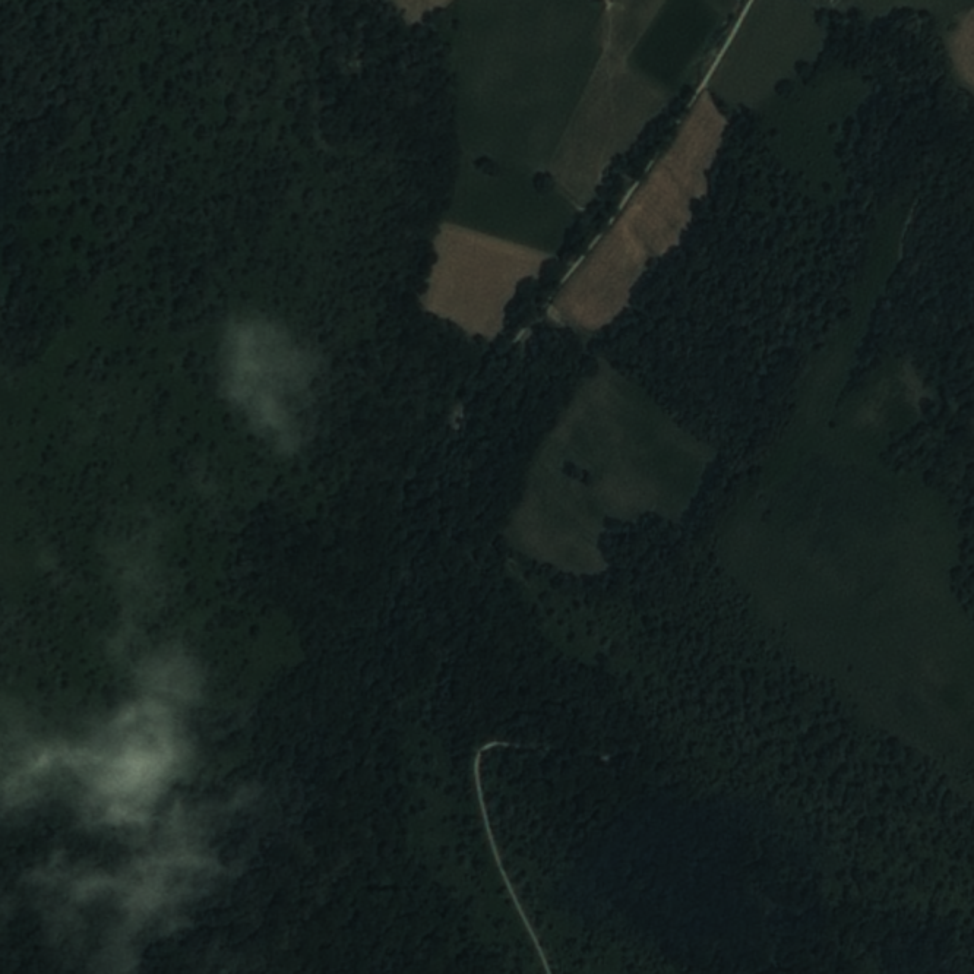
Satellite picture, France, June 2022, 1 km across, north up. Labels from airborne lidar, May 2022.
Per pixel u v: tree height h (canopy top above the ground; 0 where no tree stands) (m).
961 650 0
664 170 0
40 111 9
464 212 0
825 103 0
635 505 0
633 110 0
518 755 25
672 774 16
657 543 13
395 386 20
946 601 0
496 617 25
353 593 18
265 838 24
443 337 28
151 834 18
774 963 8
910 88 21
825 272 11
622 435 0
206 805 21
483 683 20
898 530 0
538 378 24
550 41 0
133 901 21
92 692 9
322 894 14
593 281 0
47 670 6
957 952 18
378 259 10
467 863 10
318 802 26
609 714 21
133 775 12
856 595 0
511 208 0
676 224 0
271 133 12
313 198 16
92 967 26
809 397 0
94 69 16
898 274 10
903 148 21
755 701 16
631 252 0
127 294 11
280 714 16
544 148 0
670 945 23
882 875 9
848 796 15
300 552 22
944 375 10
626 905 21
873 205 8
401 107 14
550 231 0
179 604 7
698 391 18
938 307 16
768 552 0
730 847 30
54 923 23
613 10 0
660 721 14
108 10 14
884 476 0
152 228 16
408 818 8
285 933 16
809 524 0
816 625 0
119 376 10
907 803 16
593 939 8
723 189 25
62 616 11
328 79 17
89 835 30
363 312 8
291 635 7
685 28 0
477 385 19
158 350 10
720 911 34
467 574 24
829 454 0
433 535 24
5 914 13
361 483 12
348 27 21
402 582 19
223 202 16
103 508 11
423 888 22
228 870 19
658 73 0
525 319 21
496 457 25
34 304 9
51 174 7
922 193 13
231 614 9
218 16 11
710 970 25
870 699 0
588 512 0
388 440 14
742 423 17
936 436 16
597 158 0
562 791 26
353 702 19
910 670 0
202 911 17
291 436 13
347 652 16
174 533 0
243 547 17
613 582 21
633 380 8
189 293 20
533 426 26
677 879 26
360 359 10
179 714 10
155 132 16
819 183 0
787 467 0
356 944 23
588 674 17
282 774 21
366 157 8
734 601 6
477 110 0
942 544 0
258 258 10
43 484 12
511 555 11
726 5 0
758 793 5
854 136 10
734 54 0
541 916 12
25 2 8
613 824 24
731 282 20
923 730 0
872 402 0
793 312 10
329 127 15
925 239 10
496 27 0
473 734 14
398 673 22
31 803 20
